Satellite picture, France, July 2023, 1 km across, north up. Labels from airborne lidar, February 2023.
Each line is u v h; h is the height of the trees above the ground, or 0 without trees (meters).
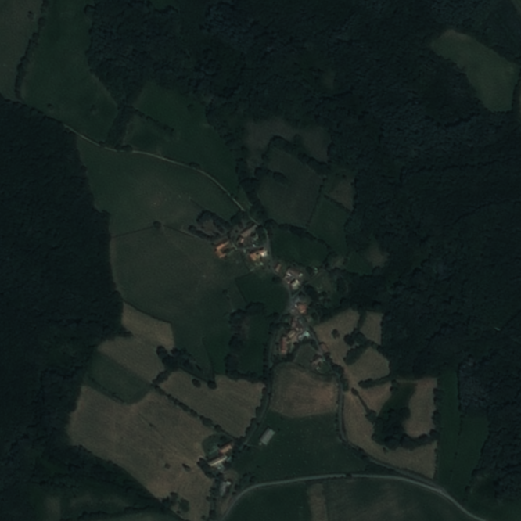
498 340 11
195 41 10
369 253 0
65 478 11
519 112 11
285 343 0
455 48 0
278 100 19
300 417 0
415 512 0
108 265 18
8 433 27
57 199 22
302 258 0
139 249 0
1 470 25
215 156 0
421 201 17
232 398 0
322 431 0
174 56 21
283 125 0
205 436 0
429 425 0
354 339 13
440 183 15
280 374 0
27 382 29
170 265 0
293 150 14
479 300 18
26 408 27
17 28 0
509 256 16
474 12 29
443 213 15
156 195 0
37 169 19
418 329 24
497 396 28
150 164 0
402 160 30
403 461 0
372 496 0
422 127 31
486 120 20
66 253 23
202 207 0
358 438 0
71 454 10
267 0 20
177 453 0
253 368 0
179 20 28
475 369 23
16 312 27
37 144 21
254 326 0
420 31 16
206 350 0
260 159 0
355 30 27
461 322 21
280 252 0
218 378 0
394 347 18
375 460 0
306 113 8
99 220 20
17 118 20
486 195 13
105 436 0
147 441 0
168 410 0
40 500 0
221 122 8
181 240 0
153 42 26
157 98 0
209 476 12
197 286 0
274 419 0
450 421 0
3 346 24
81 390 10
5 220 24
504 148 13
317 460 0
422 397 0
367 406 8
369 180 25
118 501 0
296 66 18
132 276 0
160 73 19
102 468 8
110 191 0
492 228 22
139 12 27
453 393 0
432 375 9
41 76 0
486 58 0
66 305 22
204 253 0
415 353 27
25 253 25
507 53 11
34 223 12
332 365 6
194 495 0
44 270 23
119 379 0
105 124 0
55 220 23
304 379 0
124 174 0
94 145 0
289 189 0
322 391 0
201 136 0
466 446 0
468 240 25
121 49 21
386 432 7
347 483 0
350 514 0
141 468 0
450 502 0
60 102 0
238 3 18
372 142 20
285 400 0
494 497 0
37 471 11
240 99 20
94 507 0
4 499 28
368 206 23
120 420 0
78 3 0
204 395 0
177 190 0
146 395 0
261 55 12
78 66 0
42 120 18
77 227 24
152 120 13
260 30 32
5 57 0
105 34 19
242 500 0
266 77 16
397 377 11
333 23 22
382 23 21
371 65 23
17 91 7
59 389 25
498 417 24
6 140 21
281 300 0
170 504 19
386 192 19
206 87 31
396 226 22
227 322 0
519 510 0
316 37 29
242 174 17
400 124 24
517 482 24
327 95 7
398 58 22
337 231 0
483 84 0
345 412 0
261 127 0
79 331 29
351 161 24
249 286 0
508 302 21
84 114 0
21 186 18
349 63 21
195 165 9
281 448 0
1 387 26
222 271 0
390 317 23
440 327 24
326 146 0
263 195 0
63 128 16
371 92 24
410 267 9
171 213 0
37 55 0
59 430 19
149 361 0
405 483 0
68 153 21
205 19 10
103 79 12
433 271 21
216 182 0
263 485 0
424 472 0
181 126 0
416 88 12
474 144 23
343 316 0
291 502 0
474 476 9
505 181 21
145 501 6
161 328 0
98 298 9
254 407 0
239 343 18
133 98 16
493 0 28
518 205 17
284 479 0
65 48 0
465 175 23
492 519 0
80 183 18
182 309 0
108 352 0
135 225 0
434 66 18
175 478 0
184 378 0
